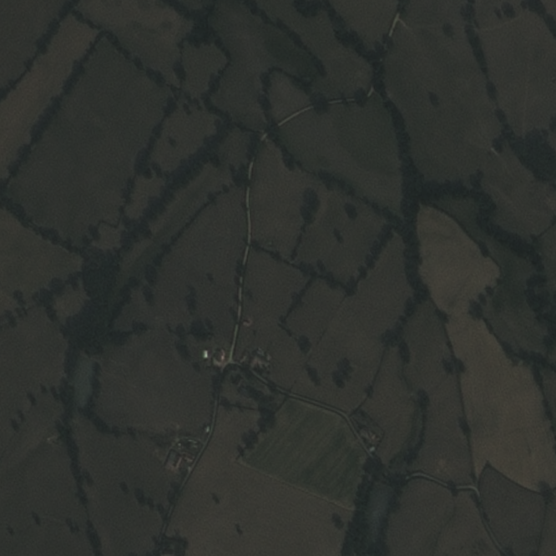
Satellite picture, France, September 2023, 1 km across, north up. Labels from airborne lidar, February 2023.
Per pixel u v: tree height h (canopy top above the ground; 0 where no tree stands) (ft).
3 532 0
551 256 0
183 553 0
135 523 0
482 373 0
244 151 0
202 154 45
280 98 0
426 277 0
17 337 0
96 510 0
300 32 0
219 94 0
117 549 0
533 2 68
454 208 0
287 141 0
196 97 0
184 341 49
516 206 0
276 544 0
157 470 0
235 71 0
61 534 0
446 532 0
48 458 0
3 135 0
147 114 0
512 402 0
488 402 0
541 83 0
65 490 0
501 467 0
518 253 50
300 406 0
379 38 0
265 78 41
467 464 0
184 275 0
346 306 0
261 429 44
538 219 0
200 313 0
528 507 0
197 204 0
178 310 0
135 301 0
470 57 0
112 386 0
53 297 40
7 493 0
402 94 0
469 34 42
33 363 0
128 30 0
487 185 0
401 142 62
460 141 0
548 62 0
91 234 39
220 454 0
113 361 0
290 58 0
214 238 0
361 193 0
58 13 0
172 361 0
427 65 0
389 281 0
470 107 0
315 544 0
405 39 0
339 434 0
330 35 0
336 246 0
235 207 0
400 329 47
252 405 0
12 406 0
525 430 0
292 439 0
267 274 0
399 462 0
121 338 42
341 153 0
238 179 53
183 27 0
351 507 0
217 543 0
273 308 0
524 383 0
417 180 66
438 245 0
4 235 0
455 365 38
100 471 0
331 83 0
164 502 0
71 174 0
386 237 50
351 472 0
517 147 67
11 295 0
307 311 0
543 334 0
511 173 0
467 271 0
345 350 0
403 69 0
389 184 0
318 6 47
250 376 48
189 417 0
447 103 0
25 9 0
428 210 0
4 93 39
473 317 48
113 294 0
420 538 0
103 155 0
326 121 0
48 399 0
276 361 0
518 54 0
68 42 0
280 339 0
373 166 0
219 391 34
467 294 0
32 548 0
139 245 0
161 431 0
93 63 0
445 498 0
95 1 0
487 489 0
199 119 0
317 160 0
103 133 0
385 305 0
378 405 0
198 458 0
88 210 0
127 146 0
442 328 0
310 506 0
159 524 0
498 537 0
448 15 0
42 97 0
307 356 0
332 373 0
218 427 0
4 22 0
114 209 0
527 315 0
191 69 0
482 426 0
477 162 0
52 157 0
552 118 0
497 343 0
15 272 0
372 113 0
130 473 0
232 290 0
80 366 0
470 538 0
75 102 0
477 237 0
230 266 0
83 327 57
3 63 0
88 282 54
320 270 45
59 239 40
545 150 69
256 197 0
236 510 0
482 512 0
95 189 0
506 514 0
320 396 0
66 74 0
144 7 0
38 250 0
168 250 37
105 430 50
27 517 0
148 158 44
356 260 0
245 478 0
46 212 0
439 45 0
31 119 0
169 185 46
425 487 0
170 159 0
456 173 0
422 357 0
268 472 0
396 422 0
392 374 0
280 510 0
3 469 0
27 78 0
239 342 0
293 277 0
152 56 0
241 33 0
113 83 0
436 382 0
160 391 0
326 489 0
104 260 63
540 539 0
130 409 0
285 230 0
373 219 0
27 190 0
